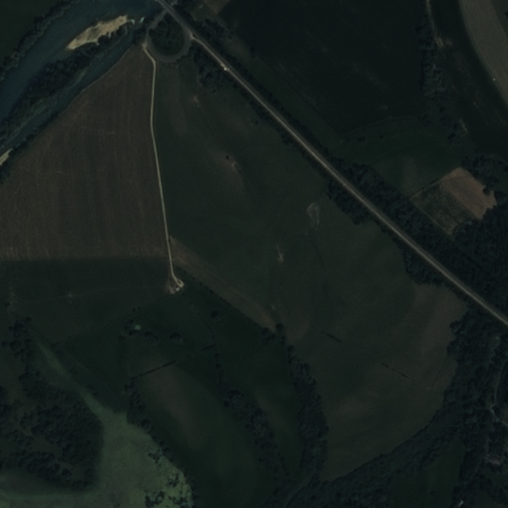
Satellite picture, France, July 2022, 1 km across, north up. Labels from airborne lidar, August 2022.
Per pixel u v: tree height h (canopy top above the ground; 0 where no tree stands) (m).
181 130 0
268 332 13
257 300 0
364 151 0
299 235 0
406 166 0
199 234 0
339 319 0
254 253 0
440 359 0
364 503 12
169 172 0
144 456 0
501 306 19
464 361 16
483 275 16
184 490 0
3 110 0
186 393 0
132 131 0
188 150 0
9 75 0
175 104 0
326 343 0
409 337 0
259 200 0
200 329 0
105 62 0
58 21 0
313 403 7
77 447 13
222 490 0
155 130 0
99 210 0
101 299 0
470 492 26
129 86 0
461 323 9
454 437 15
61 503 0
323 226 0
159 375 0
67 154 0
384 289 0
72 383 0
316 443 7
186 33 0
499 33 0
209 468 0
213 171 0
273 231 0
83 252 0
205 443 0
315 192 0
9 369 0
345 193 15
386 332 0
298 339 0
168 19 10
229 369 0
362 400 0
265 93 15
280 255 0
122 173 0
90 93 0
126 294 0
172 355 0
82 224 0
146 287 0
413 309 0
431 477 0
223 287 0
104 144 0
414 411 0
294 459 0
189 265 0
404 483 0
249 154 0
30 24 0
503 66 0
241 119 0
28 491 0
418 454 7
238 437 0
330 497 7
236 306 0
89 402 0
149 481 0
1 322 0
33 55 0
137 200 0
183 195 0
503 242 33
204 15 0
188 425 0
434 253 10
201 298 0
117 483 0
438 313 0
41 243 0
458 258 20
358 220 11
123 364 0
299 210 0
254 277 0
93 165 0
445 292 0
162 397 0
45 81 27
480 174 21
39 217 0
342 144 0
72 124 0
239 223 0
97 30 0
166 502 0
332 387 0
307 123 0
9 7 0
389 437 0
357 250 0
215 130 0
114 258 0
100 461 0
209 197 0
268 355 0
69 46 0
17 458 8
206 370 0
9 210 0
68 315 0
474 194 0
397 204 17
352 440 0
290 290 0
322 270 0
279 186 0
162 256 0
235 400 18
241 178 0
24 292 0
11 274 0
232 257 0
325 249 0
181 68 0
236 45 0
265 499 0
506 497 12
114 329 0
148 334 10
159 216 0
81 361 0
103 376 0
